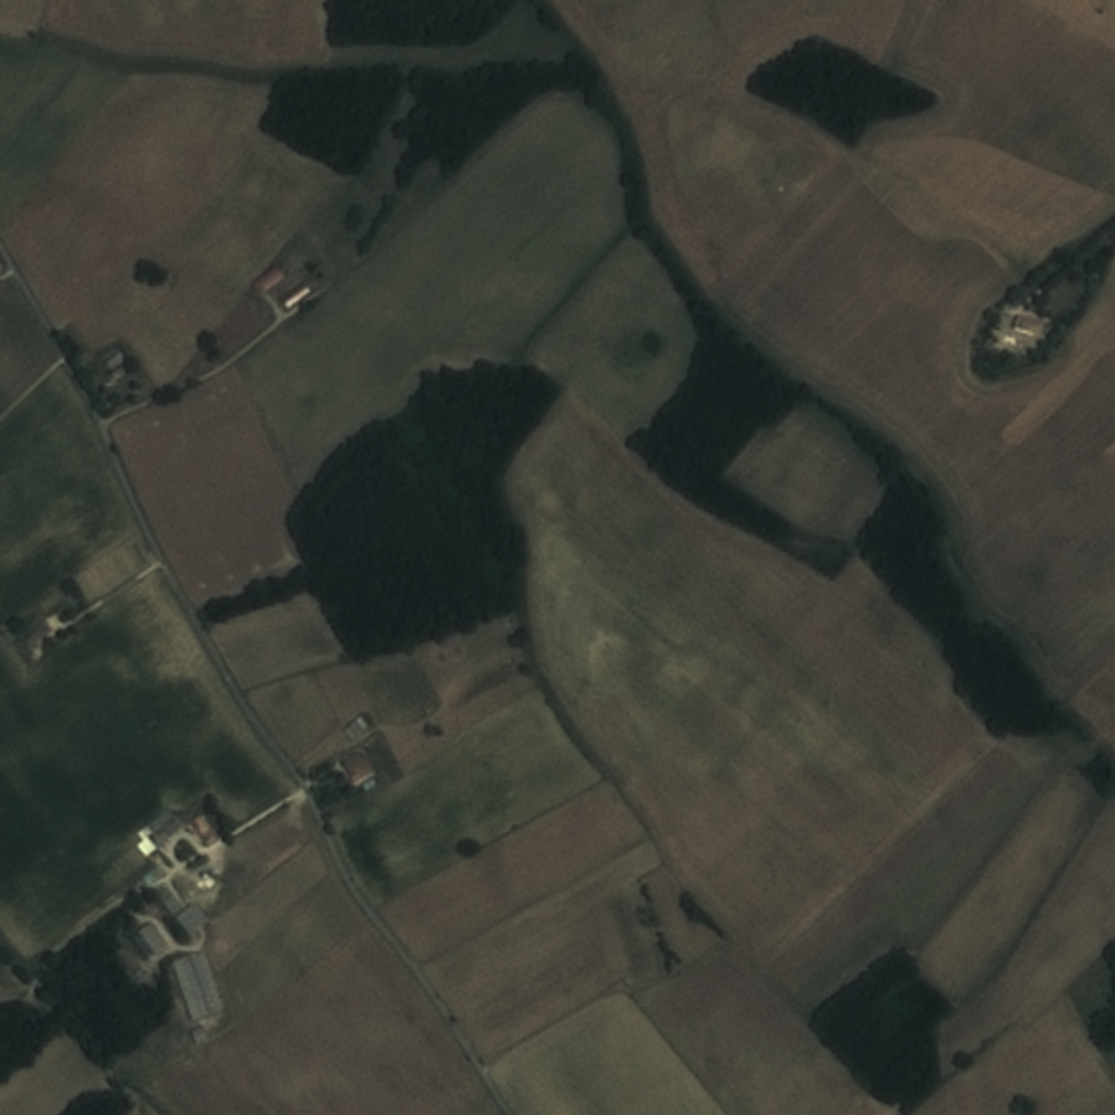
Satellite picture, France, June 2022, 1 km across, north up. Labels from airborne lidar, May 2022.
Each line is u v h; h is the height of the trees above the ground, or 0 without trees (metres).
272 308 0
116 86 0
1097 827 0
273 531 0
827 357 0
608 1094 0
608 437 0
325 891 0
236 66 0
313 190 0
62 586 8
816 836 0
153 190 0
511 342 0
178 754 0
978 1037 0
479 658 0
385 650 10
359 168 11
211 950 0
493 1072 0
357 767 0
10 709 0
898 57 0
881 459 18
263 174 0
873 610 0
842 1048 10
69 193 0
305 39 0
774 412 8
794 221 0
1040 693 8
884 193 0
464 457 18
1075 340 0
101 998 23
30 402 0
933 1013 7
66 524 0
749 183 0
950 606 16
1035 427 0
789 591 0
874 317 0
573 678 0
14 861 0
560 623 0
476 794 0
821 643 0
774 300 0
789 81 13
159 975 5
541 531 0
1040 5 0
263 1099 0
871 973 9
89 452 0
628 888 0
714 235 0
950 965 0
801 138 0
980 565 0
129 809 0
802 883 0
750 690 0
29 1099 0
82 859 0
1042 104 0
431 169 0
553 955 0
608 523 0
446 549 12
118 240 0
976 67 0
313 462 0
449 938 0
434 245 0
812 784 0
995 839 0
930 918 0
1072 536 0
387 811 0
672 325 0
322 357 0
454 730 0
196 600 0
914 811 0
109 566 0
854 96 10
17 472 0
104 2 0
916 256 0
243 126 0
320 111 7
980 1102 0
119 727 0
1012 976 0
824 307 0
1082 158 0
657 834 0
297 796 0
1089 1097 0
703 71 0
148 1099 0
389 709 0
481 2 16
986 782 0
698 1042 0
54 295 0
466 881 0
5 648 0
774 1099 0
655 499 0
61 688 0
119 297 0
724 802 0
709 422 13
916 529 16
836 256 0
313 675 0
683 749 0
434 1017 0
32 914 0
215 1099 0
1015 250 0
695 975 0
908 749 0
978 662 15
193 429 0
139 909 17
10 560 0
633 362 0
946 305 0
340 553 17
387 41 11
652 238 24
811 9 0
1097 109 0
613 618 0
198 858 6
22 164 0
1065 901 0
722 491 13
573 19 0
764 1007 0
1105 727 0
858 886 0
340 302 0
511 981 0
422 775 0
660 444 12
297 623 0
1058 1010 0
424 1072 0
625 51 0
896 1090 16
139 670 0
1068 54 0
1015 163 0
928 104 11
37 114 0
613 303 0
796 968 0
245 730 0
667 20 0
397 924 0
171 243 0
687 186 0
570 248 0
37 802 0
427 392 14
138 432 0
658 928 19
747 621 0
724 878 0
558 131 0
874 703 0
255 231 0
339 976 0
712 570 0
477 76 12
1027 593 0
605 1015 0
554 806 0
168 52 0
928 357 0
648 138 0
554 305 0
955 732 0
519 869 0
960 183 0
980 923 0
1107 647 0
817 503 0
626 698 0
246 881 0
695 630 0
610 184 0
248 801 0
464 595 13
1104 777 9
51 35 0
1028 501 0
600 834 0
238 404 0
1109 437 0
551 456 0
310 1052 0
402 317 0
